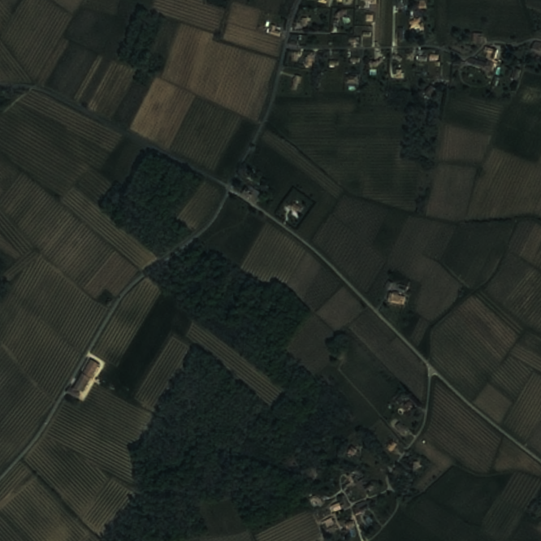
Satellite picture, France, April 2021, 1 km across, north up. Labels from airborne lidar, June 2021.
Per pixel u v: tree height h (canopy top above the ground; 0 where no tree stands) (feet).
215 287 57
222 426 53
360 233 0
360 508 0
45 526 0
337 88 0
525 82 0
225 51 0
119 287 0
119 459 0
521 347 0
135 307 0
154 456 49
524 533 0
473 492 0
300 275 0
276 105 0
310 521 0
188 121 0
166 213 57
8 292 27
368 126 0
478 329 0
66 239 0
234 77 0
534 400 0
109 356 0
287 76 0
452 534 0
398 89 34
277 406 48
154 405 0
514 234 0
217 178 0
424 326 0
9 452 0
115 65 0
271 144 0
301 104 0
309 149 0
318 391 68
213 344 0
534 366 0
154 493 48
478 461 0
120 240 0
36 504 0
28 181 0
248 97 0
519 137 0
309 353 0
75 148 0
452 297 0
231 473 80
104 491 0
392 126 0
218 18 0
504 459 0
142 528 66
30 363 0
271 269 0
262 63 0
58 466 0
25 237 0
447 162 0
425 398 0
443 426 0
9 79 0
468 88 30
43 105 0
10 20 0
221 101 0
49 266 0
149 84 22
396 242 0
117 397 0
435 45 0
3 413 0
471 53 0
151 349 0
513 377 0
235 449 60
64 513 0
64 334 0
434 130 58
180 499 48
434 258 0
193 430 60
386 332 0
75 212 0
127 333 0
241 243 0
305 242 0
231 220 0
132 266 0
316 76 36
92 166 0
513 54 21
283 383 58
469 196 0
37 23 0
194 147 0
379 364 0
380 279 0
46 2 0
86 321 0
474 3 0
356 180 0
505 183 0
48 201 0
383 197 0
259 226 0
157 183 67
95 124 0
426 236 0
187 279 58
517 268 0
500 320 0
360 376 0
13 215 0
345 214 0
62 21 0
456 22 0
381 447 64
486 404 0
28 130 0
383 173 0
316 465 48
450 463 0
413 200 0
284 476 58
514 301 0
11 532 0
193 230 28
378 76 0
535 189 0
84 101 0
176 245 73
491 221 26
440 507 0
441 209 0
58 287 0
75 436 0
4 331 0
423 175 0
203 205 0
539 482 0
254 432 60
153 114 0
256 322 76
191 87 0
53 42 0
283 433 50
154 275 48
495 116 0
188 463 55
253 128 0
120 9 0
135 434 0
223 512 0
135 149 0
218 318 37
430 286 0
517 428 0
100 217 0
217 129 0
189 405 54
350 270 0
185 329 0
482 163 0
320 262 0
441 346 0
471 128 0
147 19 41
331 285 0
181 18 0
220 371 71
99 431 0
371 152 0
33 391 0
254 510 56
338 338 44
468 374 0
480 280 0
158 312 0
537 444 0
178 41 0
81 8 0
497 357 0
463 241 0
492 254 0
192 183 49
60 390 0
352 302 0
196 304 62
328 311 0
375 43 0
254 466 61
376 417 0
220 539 0
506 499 0
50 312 0
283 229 0
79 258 0
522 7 0
